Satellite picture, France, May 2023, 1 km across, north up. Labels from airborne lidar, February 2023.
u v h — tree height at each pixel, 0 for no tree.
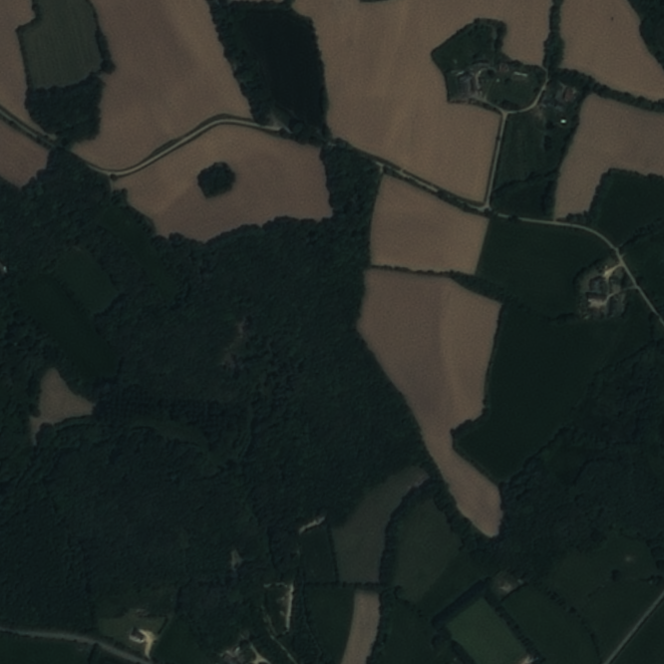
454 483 0
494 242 0
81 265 0
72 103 19
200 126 0
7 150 0
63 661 0
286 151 0
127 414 32
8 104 0
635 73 0
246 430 9
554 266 0
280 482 13
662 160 0
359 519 0
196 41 0
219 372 18
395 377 0
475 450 0
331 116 0
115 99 0
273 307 16
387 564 17
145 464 21
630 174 6
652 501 11
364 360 16
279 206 0
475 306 0
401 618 0
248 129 0
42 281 0
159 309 16
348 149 15
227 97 0
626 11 0
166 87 0
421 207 0
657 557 13
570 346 0
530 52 0
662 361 0
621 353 0
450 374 0
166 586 8
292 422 15
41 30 0
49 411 0
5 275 7
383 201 0
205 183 20
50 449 13
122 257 22
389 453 15
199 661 0
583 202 0
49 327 0
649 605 0
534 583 19
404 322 0
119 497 19
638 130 0
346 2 0
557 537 22
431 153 0
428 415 0
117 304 15
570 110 0
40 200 19
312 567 0
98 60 0
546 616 0
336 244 17
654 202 0
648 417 17
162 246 19
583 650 0
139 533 18
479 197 0
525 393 0
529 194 0
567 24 0
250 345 6
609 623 0
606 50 0
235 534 22
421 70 0
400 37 0
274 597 0
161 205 0
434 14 0
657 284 0
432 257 0
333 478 12
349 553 0
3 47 0
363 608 0
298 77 0
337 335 18
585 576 0
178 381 20
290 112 0
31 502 10
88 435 8
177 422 25
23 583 11
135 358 18
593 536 22
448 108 0
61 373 11
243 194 0
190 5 0
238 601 14
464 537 12
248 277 20
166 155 0
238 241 21
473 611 0
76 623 10
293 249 19
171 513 16
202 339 13
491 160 0
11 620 7
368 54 0
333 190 20
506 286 0
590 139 0
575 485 10
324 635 0
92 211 21
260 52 0
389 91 0
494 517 0
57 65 0
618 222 0
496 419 0
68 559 12
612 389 0
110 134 0
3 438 9
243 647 11
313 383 20
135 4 0
